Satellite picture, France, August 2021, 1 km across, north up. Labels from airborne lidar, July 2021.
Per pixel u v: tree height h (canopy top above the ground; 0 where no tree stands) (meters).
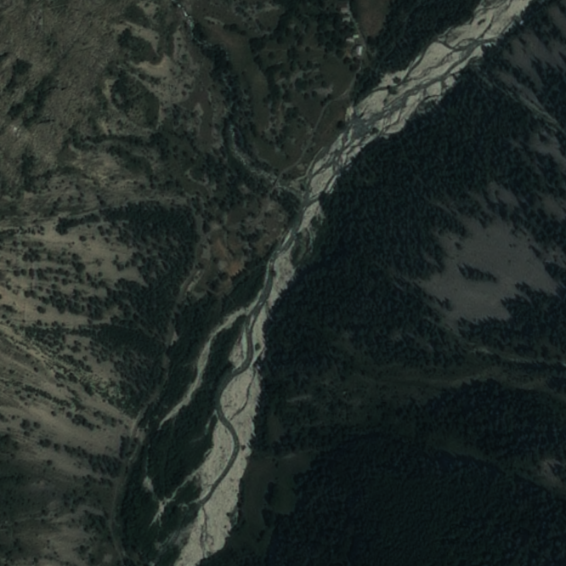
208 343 0
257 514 0
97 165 0
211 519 0
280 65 9
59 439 0
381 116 0
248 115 11
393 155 13
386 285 10
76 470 0
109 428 0
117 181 0
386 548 27
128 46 7
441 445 0
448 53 0
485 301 0
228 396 0
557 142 0
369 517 30
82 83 0
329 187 0
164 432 10
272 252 6
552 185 11
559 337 26
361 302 27
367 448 28
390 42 14
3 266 0
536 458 21
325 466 22
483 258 0
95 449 0
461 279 0
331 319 27
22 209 0
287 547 36
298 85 9
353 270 9
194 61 0
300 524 14
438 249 9
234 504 0
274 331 15
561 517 14
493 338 11
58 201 6
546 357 11
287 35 9
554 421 7
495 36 0
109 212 12
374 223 16
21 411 0
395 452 16
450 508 28
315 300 20
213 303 11
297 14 13
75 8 8
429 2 7
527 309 17
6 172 0
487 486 24
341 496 19
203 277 0
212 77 14
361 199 12
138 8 0
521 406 7
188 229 17
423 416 9
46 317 0
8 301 0
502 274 0
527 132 7
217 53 10
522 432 7
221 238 0
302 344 15
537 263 0
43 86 9
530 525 10
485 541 26
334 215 10
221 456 0
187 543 0
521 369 7
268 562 15
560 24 0
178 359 15
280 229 0
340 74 0
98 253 0
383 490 31
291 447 7
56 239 0
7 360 0
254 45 16
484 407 12
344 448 16
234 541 0
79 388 0
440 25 15
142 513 12
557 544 21
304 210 0
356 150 0
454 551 25
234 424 0
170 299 13
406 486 30
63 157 0
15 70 16
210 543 0
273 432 0
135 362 11
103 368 0
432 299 11
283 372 28
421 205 28
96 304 18
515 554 22
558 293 0
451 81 0
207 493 0
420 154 17
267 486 0
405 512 23
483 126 23
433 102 0
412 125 7
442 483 26
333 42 12
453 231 26
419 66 0
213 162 16
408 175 14
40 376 0
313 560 33
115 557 0
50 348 11
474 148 8
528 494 15
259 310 0
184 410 9
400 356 20
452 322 0
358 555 24
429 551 29
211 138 0
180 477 11
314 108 0
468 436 11
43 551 0
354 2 10
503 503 26
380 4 0
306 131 0
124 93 11
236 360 0
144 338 19
